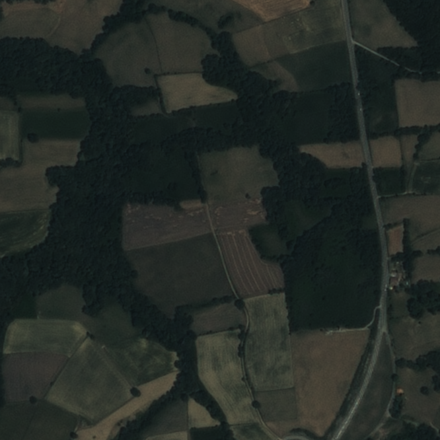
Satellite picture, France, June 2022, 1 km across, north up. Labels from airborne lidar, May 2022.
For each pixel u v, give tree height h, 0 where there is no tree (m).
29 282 26
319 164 15
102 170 21
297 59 0
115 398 0
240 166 0
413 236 0
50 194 0
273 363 0
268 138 16
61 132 0
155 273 0
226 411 0
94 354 0
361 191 9
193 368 17
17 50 16
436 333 0
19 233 0
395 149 0
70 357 0
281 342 0
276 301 0
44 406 0
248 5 0
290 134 0
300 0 0
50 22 0
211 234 0
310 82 0
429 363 22
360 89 17
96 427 0
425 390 16
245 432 0
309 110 0
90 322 0
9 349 0
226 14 0
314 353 0
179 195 0
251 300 0
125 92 21
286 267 21
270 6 0
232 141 20
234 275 0
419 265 0
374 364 0
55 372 0
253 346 0
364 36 0
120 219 7
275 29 0
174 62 0
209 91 0
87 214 24
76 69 20
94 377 0
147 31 0
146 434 0
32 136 15
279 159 23
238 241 0
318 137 0
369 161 0
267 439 0
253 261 0
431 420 0
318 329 0
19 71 12
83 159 16
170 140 9
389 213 0
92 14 0
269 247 0
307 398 0
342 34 0
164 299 0
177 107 0
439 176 0
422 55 7
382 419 0
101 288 19
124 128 17
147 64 0
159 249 0
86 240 24
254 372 0
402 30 0
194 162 14
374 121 0
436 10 17
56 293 0
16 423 0
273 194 25
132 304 18
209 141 22
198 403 14
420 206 0
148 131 0
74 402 0
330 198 8
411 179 0
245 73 7
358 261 0
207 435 0
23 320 0
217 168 0
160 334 23
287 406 0
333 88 17
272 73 0
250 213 0
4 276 24
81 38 0
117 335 0
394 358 0
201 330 0
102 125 18
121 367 0
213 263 0
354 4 0
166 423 0
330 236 0
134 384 0
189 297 0
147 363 0
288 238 13
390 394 0
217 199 0
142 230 0
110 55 0
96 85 25
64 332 0
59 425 0
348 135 11
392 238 0
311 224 0
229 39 17
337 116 10
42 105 0
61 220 22
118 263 8
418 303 24
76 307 0
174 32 0
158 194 7
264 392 0
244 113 14
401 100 0
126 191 7
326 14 0
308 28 0
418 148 16
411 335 0
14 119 0
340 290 0
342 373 0
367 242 14
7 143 0
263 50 0
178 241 0
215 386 0
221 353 0
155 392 0
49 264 24
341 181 14
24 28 0
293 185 24
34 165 0
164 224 0
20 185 0
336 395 0
